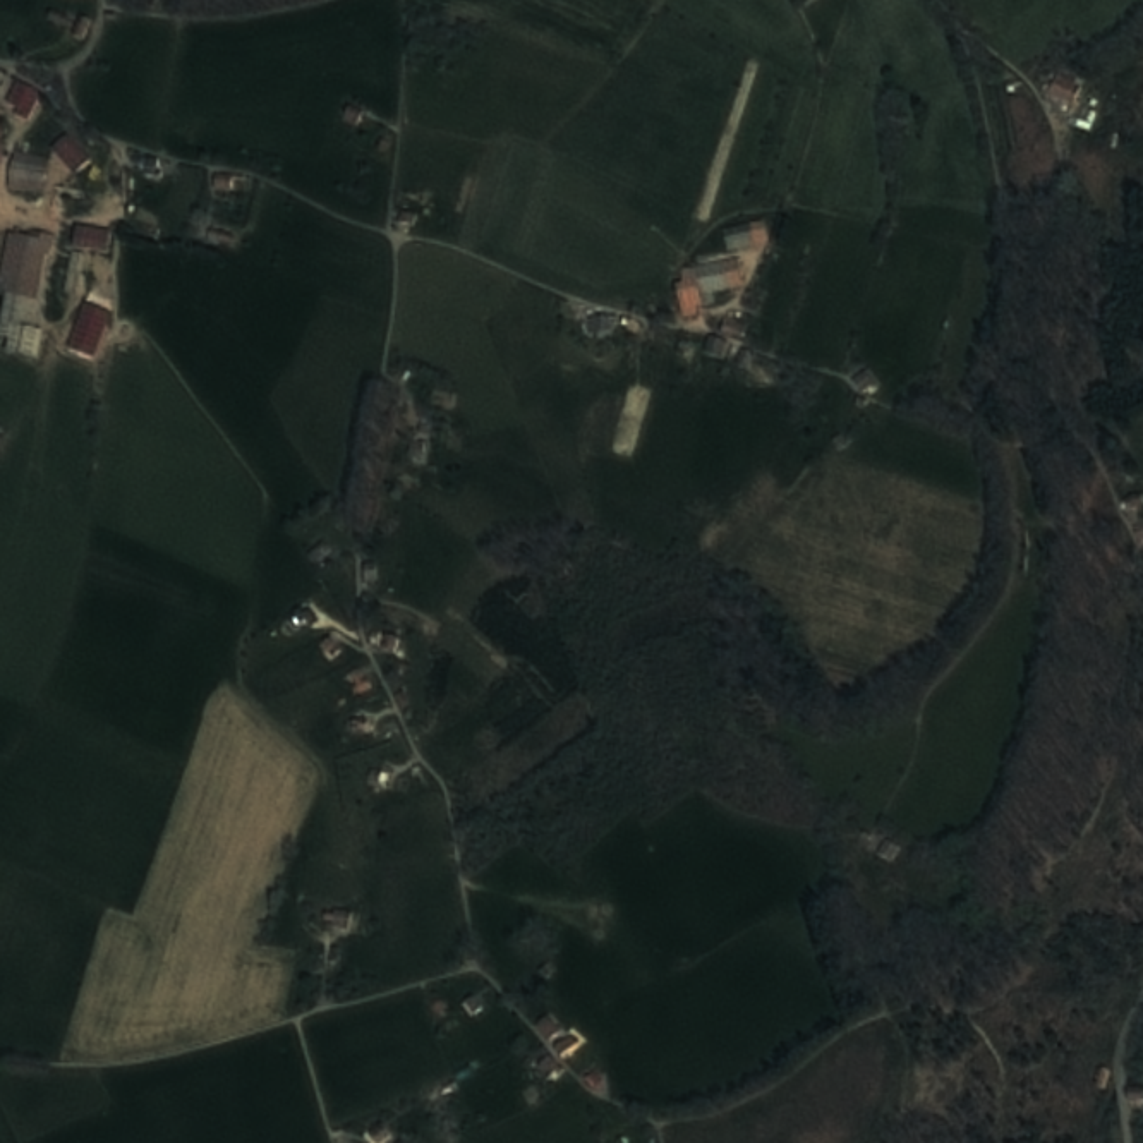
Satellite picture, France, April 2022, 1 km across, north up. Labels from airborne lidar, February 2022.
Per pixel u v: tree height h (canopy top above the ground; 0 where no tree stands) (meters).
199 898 0
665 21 0
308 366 0
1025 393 35
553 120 0
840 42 0
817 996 0
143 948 0
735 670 29
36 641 0
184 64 0
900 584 0
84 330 0
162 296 0
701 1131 0
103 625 0
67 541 0
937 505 0
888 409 0
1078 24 0
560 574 11
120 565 0
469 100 0
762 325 0
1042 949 27
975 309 0
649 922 0
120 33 0
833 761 0
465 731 0
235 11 24
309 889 0
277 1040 0
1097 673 33
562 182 0
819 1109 0
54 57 0
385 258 0
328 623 0
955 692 0
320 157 0
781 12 0
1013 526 25
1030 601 0
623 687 10
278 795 0
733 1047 0
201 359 0
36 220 0
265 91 0
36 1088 0
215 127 0
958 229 0
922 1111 0
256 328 0
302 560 0
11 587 0
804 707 25
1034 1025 17
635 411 0
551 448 0
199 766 0
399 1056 0
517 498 0
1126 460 28
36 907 0
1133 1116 0
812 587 0
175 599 0
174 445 0
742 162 0
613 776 7
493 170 0
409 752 0
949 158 0
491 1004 0
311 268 0
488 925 0
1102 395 25
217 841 0
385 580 0
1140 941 23
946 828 0
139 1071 0
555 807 0
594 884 0
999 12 0
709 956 0
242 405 0
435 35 8
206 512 0
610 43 0
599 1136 11
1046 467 28
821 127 0
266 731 0
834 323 0
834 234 0
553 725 0
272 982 0
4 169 0
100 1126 0
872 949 31
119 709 0
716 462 0
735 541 0
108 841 0
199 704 0
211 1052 0
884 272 0
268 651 0
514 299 0
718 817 0
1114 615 33
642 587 7
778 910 0
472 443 0
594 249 0
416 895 0
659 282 0
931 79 0
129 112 0
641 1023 0
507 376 0
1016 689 0
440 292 0
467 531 0
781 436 0
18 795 0
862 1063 0
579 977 0
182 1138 0
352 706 0
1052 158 0
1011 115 0
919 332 0
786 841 0
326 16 0
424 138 0
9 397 0
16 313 0
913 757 0
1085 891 0
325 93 0
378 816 6
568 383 0
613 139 0
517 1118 0
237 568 0
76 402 0
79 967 0
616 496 0
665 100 0
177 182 0
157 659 0
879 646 0
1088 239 35
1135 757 31
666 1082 0
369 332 0
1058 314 35
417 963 0
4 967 0
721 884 0
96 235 0
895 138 25
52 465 0
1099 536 35
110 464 0
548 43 0
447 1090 0
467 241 0
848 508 0
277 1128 0
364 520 21
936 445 0
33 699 0
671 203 0
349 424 0
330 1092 0
